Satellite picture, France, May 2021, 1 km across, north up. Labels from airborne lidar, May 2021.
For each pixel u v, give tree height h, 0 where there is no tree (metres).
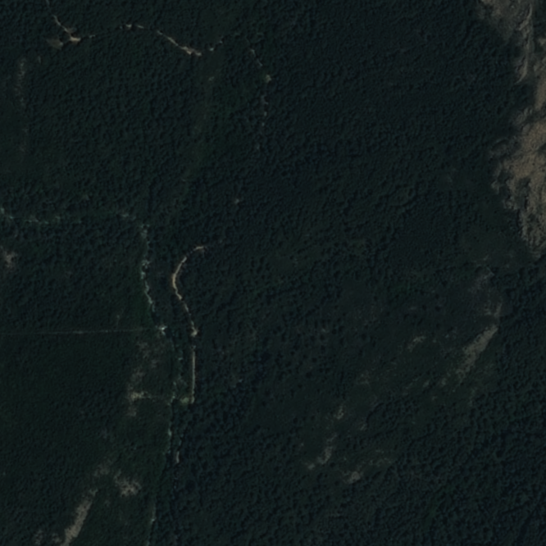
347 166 20
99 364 11
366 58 20
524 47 0
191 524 21
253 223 23
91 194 19
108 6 21
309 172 22
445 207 20
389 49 19
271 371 23
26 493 12
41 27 7
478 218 15
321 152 6
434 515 7
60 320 22
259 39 13
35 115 16
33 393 9
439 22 18
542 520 26
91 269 6
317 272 25
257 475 16
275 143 27
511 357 24
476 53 19
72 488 13
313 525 29
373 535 26
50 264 27
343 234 26
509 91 19
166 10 14
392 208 23
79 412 9
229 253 25
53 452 7
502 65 16
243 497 21
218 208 31
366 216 28
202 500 20
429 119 23
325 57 16
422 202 17
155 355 8
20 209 22
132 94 18
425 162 23
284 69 25
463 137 21
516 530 21
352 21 19
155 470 17
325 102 18
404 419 20
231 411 22
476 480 17
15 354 11
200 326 6
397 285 21
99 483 8
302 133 19
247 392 21
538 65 0
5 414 12
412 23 15
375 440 18
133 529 10
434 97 20
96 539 12
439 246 18
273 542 22
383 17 18
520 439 27
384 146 27
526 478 24
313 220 15
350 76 18
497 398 23
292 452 16
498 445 27
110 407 19
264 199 21
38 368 8
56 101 19
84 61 17
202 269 21
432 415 7
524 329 23
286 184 24
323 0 17
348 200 18
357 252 29
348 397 18
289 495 6
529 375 22
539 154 0
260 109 27
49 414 9
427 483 22
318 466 5
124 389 8
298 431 14
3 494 8
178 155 17
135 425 14
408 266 20
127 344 8
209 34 6
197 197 32
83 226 22
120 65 21
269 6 18
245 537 30
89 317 17
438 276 17
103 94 15
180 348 15
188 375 12
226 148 19
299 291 23
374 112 20
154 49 18
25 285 11
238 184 23
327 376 6
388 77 21
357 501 30
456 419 17
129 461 13
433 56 21
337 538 20
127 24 19
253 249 22
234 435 6
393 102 19
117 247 23
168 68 19
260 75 22
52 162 10
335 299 16
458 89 20
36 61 9
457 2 15
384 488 25
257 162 23
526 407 24
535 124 0
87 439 11
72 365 8
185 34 18
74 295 20
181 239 25
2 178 8
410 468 25
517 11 0
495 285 18
